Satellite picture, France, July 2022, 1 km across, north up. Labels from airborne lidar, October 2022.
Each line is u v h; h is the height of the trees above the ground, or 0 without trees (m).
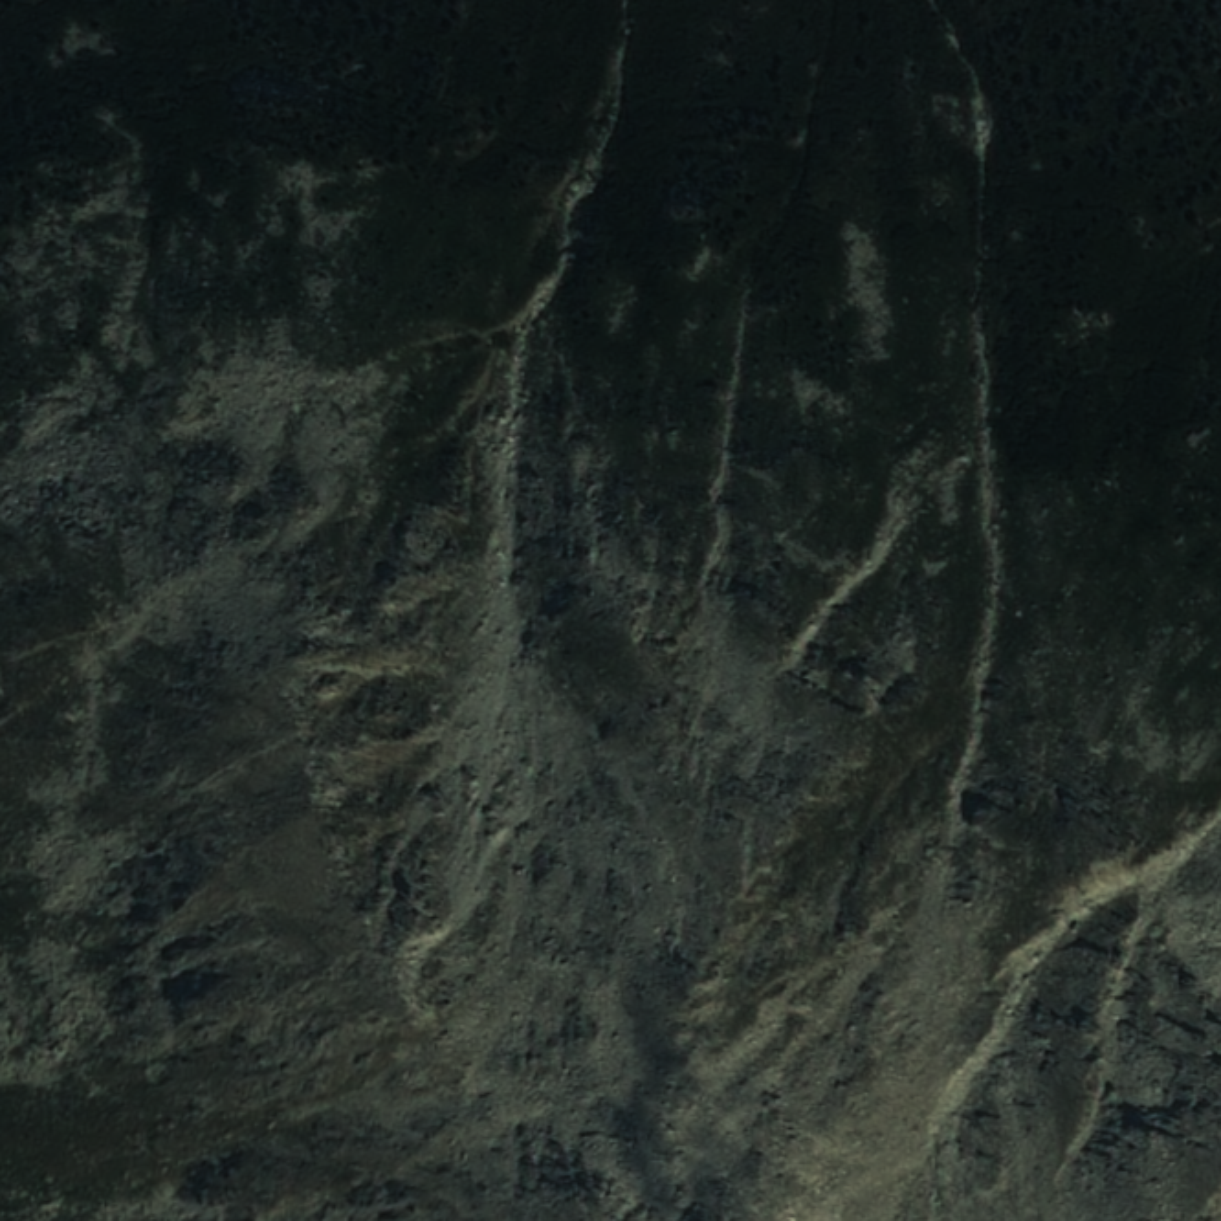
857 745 0
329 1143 0
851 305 0
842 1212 0
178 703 0
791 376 0
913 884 0
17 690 0
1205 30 19
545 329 0
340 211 0
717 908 0
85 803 0
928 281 0
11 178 9
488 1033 0
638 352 0
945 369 0
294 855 0
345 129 12
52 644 0
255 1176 0
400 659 0
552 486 0
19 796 0
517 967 0
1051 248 9
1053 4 6
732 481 0
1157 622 0
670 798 0
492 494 0
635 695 0
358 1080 0
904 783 0
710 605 0
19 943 0
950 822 0
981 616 0
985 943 0
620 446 0
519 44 6
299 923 0
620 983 0
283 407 0
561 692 0
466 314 0
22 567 0
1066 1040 0
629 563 0
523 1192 0
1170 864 0
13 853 0
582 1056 0
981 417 0
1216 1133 0
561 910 0
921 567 0
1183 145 13
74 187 9
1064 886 0
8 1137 0
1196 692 0
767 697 0
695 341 0
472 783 0
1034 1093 0
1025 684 0
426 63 13
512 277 0
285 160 0
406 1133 0
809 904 0
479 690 0
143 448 0
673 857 0
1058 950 0
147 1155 0
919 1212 0
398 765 0
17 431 0
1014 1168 0
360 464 0
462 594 0
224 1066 0
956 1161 0
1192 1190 0
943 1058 0
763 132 11
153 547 0
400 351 0
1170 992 0
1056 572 0
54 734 0
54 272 0
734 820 7
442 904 0
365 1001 0
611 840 0
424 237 0
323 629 0
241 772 0
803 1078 0
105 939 0
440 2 14
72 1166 0
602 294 0
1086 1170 0
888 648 0
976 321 0
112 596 0
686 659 0
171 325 0
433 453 0
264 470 0
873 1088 0
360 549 0
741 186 11
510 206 0
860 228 0
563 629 0
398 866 0
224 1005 0
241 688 0
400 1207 0
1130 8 6
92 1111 0
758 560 0
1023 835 0
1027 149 8
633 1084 0
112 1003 0
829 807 0
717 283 0
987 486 0
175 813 0
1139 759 0
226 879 0
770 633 0
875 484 0
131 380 0
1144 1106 0
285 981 0
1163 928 0
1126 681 0
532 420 0
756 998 0
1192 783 0
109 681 0
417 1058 0
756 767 0
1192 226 14
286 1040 0
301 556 0
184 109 8
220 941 0
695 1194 0
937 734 0
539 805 0
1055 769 0
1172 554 0
